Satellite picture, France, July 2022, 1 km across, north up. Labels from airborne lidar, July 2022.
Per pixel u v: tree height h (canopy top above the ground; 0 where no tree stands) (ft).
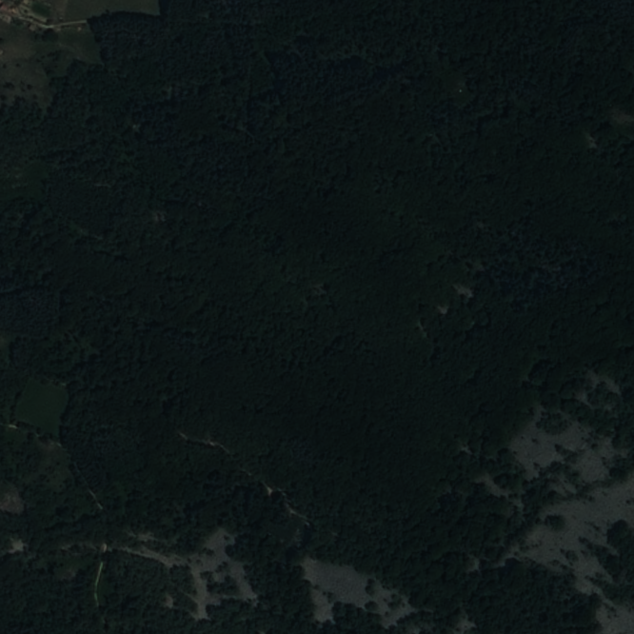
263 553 90
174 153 73
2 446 61
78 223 33
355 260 88
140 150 61
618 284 91
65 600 72
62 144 61
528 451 0
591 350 98
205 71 52
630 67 0
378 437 92
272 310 60
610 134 72
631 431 19
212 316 42
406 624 42
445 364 79
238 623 60
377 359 86
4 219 56
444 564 45
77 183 28
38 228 67
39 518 32
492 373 87
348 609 46
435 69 57
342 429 91
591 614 53
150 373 90
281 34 61
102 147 35
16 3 19
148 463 79
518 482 49
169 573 42
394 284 101
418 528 78
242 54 107
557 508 0
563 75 66
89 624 57
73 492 26
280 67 121
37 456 32
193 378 94
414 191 73
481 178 78
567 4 73
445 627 41
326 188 36
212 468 73
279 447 102
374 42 68
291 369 84
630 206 79
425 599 41
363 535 82
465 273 58
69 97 64
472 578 41
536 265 54
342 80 109
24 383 25
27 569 47
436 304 48
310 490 81
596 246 77
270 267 67
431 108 67
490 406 96
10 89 46
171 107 79
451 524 72
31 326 109
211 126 77
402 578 39
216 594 40
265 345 73
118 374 83
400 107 59
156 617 70
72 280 69
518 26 78
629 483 0
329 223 84
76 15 0
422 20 58
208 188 67
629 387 21
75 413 44
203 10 103
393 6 69
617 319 85
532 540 0
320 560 50
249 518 71
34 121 61
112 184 48
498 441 72
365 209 85
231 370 87
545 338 92
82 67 46
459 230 32
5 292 84
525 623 31
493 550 54
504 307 80
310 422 79
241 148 72
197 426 84
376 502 76
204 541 32
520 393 98
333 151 72
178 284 73
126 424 27
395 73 108
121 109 57
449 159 63
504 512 32
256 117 117
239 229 55
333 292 58
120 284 83
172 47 80
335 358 86
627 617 0
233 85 75
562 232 78
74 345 18
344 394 83
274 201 69
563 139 78
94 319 43
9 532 62
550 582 34
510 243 56
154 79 63
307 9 103
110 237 67
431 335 46
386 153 78
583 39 62
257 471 73
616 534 37
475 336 67
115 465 71
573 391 38
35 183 0
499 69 59
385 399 92
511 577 76
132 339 49
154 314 79
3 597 70
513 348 104
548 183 62
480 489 59
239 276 89
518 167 61
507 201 75
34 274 73
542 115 43
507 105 24
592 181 63
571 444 0
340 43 25
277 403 83
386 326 84
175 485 55
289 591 68
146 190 62
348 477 81
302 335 82
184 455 58
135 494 51
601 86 49
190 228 73
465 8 83
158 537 17
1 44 21
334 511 68
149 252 63
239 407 72
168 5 106
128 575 66
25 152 66
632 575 23
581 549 0
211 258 74
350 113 42
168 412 90
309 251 86
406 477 91
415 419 90
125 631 49
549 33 79
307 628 74
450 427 77
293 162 52
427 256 61
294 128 20
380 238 73
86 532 58
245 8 126
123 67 63
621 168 68
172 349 97
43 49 0
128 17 82
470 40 66
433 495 49
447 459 65
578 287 87
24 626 62
